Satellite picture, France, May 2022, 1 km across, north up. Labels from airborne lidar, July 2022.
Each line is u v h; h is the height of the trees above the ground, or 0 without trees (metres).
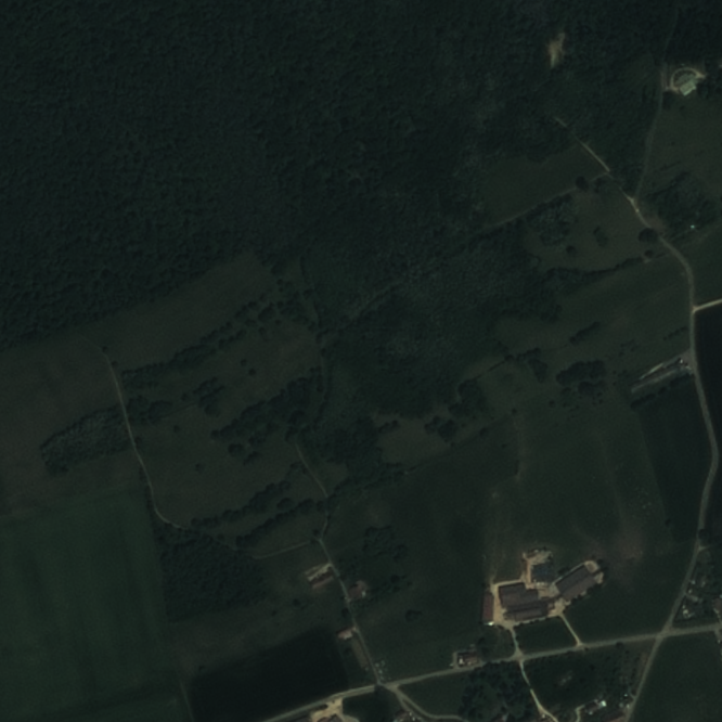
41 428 0
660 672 0
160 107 13
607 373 9
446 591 0
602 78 16
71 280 19
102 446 13
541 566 0
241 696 0
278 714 0
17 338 13
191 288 0
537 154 18
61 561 0
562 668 0
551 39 13
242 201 14
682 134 0
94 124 14
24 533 0
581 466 0
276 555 0
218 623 0
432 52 20
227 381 0
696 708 0
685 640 0
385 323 19
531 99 19
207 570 13
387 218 20
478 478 0
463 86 19
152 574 0
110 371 0
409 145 23
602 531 0
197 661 0
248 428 12
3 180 13
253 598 16
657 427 0
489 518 0
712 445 0
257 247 10
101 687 0
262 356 0
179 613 11
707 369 0
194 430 0
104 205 14
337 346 9
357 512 0
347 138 21
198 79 13
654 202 10
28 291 9
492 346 13
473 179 22
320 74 15
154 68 13
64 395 0
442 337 18
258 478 0
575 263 0
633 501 0
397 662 0
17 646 0
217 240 12
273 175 14
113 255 17
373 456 16
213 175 13
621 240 0
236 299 0
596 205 0
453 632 0
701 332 0
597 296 0
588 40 27
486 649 8
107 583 0
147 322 0
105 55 21
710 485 0
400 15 17
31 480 0
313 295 13
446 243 23
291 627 0
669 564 0
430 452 0
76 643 0
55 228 13
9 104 16
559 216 20
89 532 0
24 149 15
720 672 0
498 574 0
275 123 18
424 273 12
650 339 0
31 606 0
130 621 0
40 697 0
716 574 6
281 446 0
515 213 0
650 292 0
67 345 0
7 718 0
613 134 13
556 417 0
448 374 19
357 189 22
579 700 0
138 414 10
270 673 0
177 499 0
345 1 15
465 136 18
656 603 0
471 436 0
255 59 17
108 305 16
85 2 19
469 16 11
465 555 0
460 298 20
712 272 0
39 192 14
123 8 20
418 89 17
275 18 14
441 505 0
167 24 18
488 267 20
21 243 17
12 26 18
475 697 24
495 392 0
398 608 0
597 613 0
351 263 17
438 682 0
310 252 14
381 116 19
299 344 0
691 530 0
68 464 12
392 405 6
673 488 0
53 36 14
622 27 21
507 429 0
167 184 16
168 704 0
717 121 0
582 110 16
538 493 0
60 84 18
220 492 0
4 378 0
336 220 20
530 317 13
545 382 11
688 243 0
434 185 23
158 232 19
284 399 13
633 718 0
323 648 0
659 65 13
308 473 9
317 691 0
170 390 0
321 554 0
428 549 0
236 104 13
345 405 12
